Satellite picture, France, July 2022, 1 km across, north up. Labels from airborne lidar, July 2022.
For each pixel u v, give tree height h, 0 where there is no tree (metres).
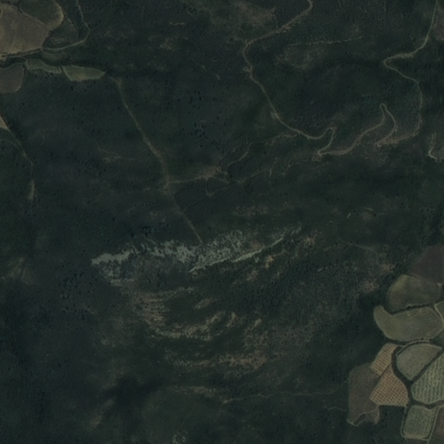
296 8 7
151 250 0
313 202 0
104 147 0
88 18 5
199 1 0
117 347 0
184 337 0
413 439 0
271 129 0
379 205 0
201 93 9
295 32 6
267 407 0
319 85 0
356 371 0
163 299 0
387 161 7
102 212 6
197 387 0
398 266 9
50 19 0
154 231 8
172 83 6
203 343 0
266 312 7
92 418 0
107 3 6
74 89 14
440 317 0
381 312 0
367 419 0
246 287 6
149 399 0
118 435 0
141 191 0
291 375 0
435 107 6
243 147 8
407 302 0
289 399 0
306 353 0
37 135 0
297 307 7
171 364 0
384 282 9
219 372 0
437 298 0
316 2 6
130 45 9
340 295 9
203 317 0
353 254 0
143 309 0
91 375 0
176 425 0
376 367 0
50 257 0
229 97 0
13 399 5
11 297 7
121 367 0
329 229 0
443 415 0
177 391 0
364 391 0
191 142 0
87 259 0
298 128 6
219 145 8
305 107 6
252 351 0
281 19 6
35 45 0
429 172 7
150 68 7
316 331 6
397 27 7
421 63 7
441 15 0
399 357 0
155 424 0
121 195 0
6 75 0
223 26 0
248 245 0
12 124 9
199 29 7
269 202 0
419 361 0
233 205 7
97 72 0
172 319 0
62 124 0
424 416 0
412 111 7
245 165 7
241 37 0
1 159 7
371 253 0
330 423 6
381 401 0
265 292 10
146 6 7
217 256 0
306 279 8
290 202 0
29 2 0
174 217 0
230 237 0
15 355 10
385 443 11
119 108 6
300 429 7
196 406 0
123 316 0
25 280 0
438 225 10
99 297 0
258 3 6
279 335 0
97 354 0
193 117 0
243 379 7
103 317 0
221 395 6
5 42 0
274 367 0
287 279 8
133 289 0
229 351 0
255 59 7
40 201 10
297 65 0
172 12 6
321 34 6
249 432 0
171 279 0
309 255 7
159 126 0
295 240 6
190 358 0
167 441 0
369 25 6
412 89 7
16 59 6
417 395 0
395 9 7
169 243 0
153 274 0
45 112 0
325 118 7
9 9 0
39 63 0
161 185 0
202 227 0
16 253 6
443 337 0
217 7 0
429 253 0
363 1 6
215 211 6
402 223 0
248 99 0
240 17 0
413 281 0
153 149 0
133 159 0
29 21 0
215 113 0
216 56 5
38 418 8
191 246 0
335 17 6
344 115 0
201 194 6
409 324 0
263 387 0
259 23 0
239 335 0
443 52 10
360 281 8
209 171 0
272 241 0
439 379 0
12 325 12
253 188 7
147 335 0
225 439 0
